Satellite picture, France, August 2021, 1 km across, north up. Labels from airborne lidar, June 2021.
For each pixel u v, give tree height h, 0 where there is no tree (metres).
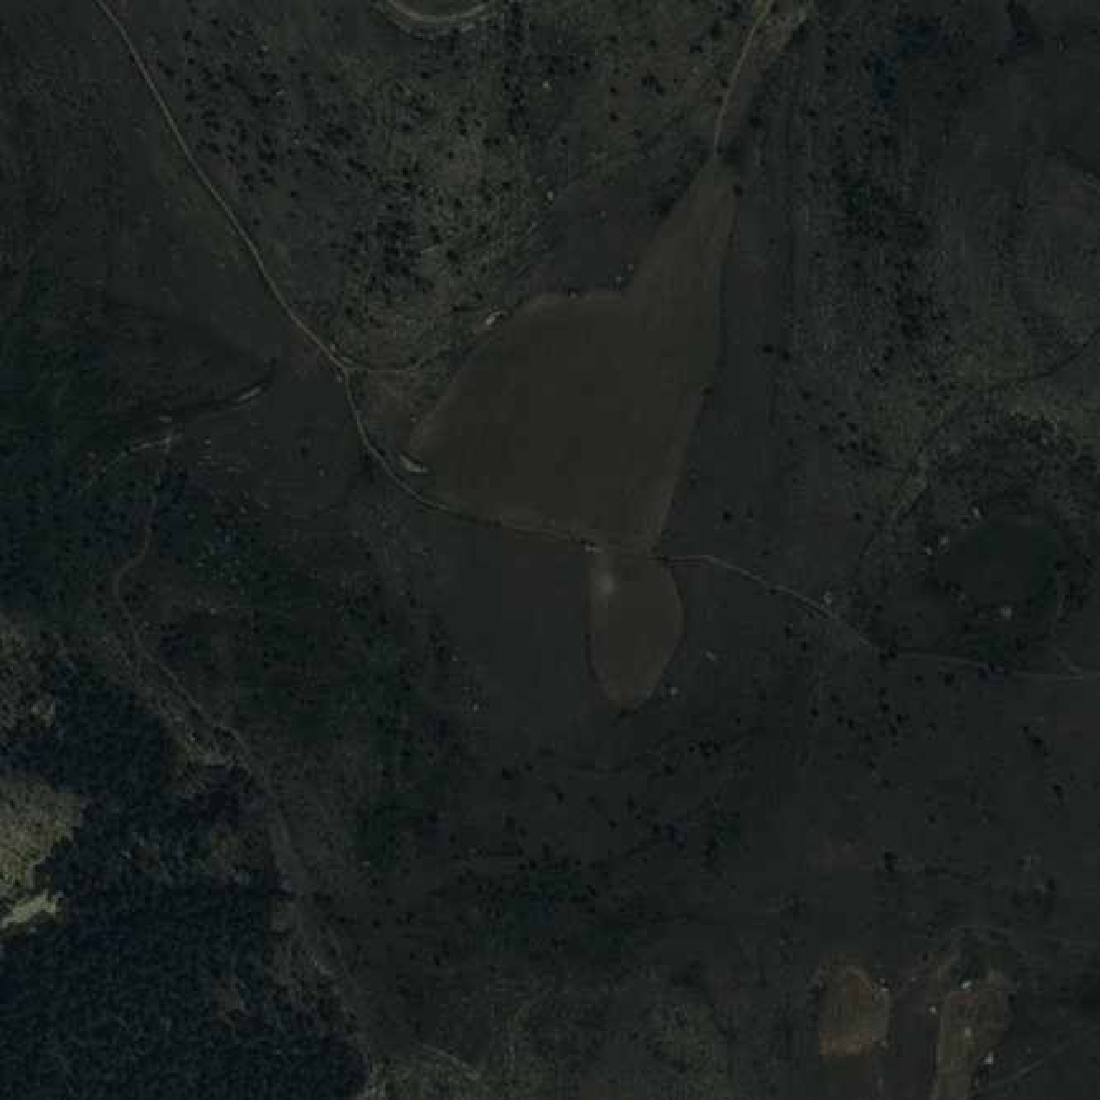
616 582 0
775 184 0
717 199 0
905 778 0
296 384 0
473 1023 0
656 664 0
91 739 10
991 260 0
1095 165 0
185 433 0
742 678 0
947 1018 0
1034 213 0
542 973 0
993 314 0
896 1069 0
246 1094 19
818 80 0
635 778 0
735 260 0
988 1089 0
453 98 0
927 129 0
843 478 0
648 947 0
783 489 0
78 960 19
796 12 0
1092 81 0
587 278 0
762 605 0
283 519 0
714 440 0
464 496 0
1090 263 0
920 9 0
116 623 0
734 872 0
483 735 0
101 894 16
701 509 0
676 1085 0
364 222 0
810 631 0
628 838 0
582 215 0
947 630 0
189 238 0
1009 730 0
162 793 13
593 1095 0
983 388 0
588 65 8
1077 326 0
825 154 0
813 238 0
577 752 0
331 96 0
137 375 0
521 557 0
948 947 0
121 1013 18
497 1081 0
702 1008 0
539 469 0
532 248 0
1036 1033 0
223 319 0
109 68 0
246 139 9
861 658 0
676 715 0
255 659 0
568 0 0
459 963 0
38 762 11
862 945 0
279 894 7
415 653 0
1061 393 0
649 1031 0
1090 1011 0
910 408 0
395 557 0
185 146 0
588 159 0
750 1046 0
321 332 0
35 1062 22
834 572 0
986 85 0
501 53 0
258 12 0
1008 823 0
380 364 0
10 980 11
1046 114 0
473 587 0
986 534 0
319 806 0
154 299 0
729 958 0
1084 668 0
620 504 0
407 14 0
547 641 0
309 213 0
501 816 0
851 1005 0
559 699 0
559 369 0
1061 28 0
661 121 0
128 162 0
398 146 0
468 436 0
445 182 0
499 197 0
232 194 0
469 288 0
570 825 0
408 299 0
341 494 0
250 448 0
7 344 0
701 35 0
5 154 0
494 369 0
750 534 0
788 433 0
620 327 0
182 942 12
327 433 0
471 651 0
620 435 0
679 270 0
